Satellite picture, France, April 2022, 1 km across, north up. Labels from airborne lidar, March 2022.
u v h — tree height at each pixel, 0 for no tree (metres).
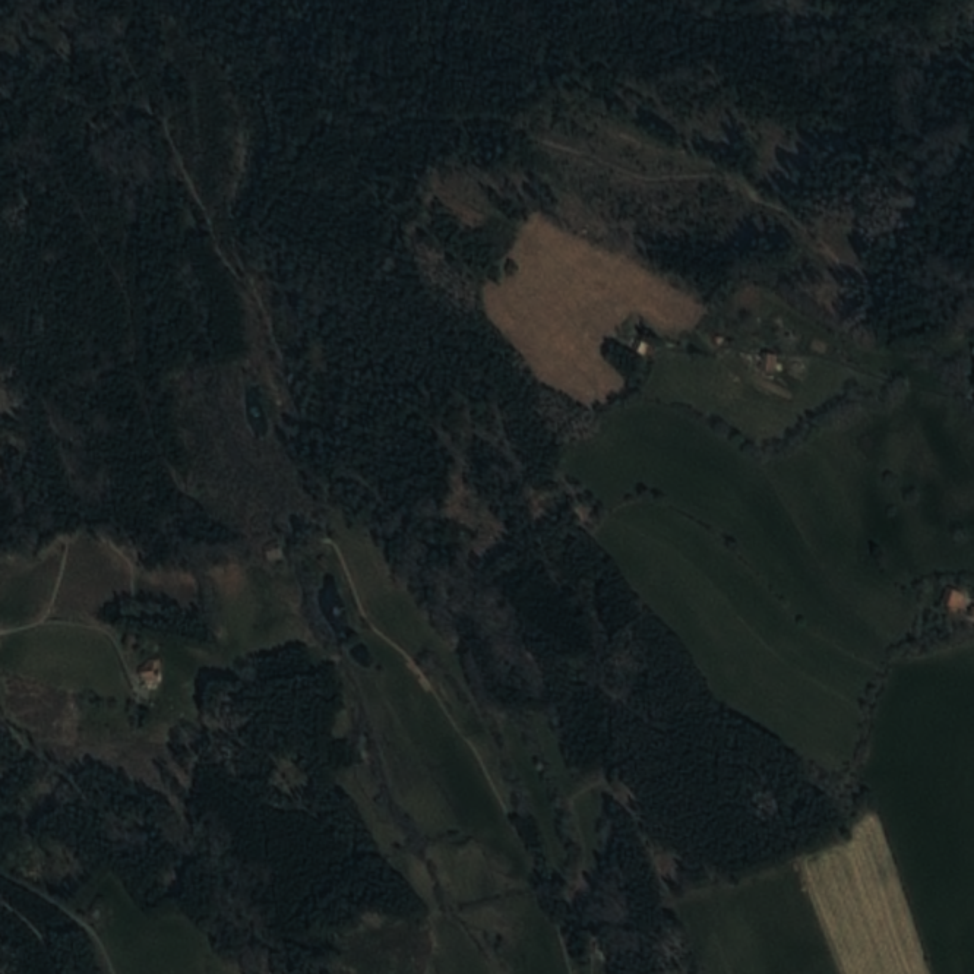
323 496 23
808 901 0
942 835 0
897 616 0
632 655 26
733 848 26
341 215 20
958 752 0
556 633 22
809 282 0
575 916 29
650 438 0
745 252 15
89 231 21
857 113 17
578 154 0
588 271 0
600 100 8
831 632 0
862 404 15
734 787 27
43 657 0
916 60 20
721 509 0
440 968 0
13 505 15
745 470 0
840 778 8
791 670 0
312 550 14
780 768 25
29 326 22
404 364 16
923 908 0
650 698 23
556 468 10
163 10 19
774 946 0
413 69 20
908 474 0
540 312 0
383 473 23
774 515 0
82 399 18
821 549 0
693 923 0
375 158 14
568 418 17
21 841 24
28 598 0
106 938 0
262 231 20
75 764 0
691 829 28
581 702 18
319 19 16
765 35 16
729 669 0
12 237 23
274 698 36
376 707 0
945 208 34
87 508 21
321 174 15
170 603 0
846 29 24
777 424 0
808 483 0
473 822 0
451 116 20
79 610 0
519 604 24
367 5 17
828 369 0
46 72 28
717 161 27
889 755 0
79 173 27
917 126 17
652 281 0
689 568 0
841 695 0
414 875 0
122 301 12
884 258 41
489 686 26
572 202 0
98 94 20
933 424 0
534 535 20
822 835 24
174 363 35
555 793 9
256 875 21
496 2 23
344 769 13
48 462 24
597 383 0
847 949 0
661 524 0
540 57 23
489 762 0
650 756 29
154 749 0
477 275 9
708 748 30
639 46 20
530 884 0
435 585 27
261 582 0
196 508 21
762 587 0
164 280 36
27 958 13
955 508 0
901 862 0
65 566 0
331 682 15
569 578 7
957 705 0
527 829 14
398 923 34
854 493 0
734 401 0
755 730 24
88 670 0
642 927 23
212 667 0
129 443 17
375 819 0
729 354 0
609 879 23
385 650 0
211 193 6
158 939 0
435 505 27
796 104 17
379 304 17
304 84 17
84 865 32
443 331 19
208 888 25
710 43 21
